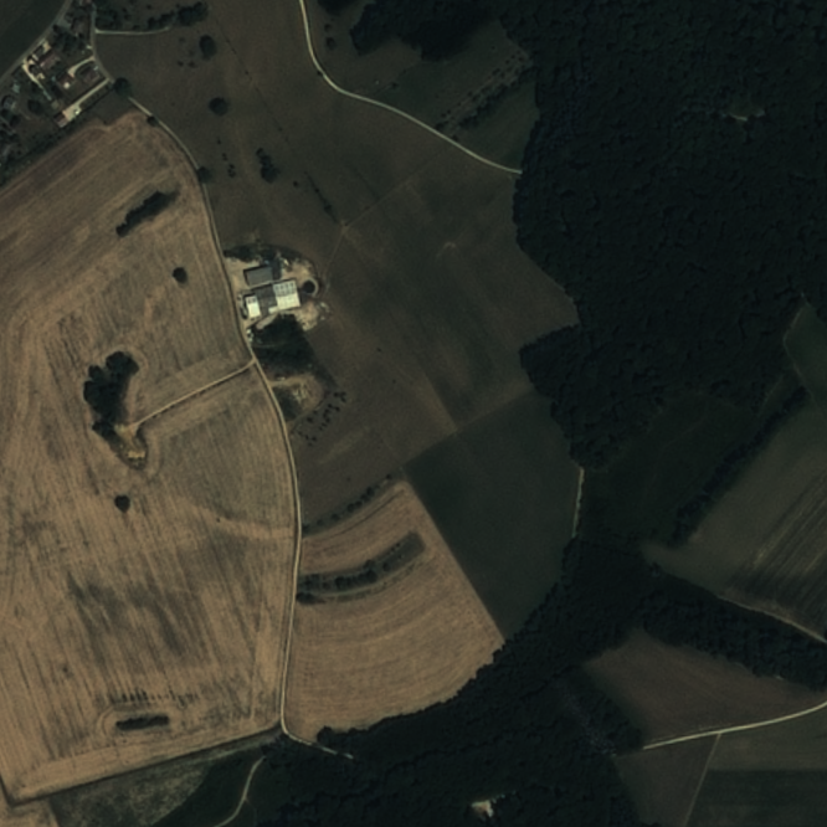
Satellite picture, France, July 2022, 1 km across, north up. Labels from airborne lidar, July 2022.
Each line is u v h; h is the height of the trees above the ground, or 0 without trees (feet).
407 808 119
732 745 0
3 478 0
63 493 0
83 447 0
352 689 0
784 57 106
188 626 0
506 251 0
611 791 104
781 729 0
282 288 0
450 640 0
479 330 0
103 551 0
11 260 0
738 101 81
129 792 0
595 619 67
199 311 0
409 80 0
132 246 0
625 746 65
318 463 0
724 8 96
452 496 0
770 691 0
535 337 0
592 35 98
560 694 97
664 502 0
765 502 0
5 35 0
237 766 26
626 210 100
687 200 90
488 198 0
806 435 0
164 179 0
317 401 0
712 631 19
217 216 0
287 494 0
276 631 0
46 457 0
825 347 0
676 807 0
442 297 0
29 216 0
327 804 96
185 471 0
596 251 90
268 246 0
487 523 0
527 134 0
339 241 0
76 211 0
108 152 0
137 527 0
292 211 0
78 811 0
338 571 0
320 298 0
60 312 0
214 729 0
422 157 0
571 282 75
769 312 90
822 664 89
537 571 0
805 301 71
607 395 100
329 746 33
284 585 0
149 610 0
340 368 0
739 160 85
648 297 99
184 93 0
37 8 0
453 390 0
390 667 0
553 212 90
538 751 103
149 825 0
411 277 0
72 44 29
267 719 0
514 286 0
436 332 0
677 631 73
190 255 0
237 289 0
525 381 0
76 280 0
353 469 0
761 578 0
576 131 98
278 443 0
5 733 0
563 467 0
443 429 0
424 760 77
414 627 0
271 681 0
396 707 0
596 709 76
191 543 0
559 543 0
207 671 0
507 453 0
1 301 0
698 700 0
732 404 92
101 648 0
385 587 0
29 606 0
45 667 0
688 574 0
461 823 91
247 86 0
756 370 88
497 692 66
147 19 0
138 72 0
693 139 90
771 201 95
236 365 0
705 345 105
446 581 0
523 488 0
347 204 0
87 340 0
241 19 0
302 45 0
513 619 0
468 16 58
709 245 91
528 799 92
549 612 62
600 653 93
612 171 93
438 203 0
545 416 0
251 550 0
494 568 0
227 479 0
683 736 0
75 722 0
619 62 86
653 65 76
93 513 0
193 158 0
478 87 0
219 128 0
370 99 0
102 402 60
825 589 0
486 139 0
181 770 0
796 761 0
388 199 0
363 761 47
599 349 72
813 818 0
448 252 0
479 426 0
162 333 0
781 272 101
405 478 0
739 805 0
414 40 46
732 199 90
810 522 0
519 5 94
